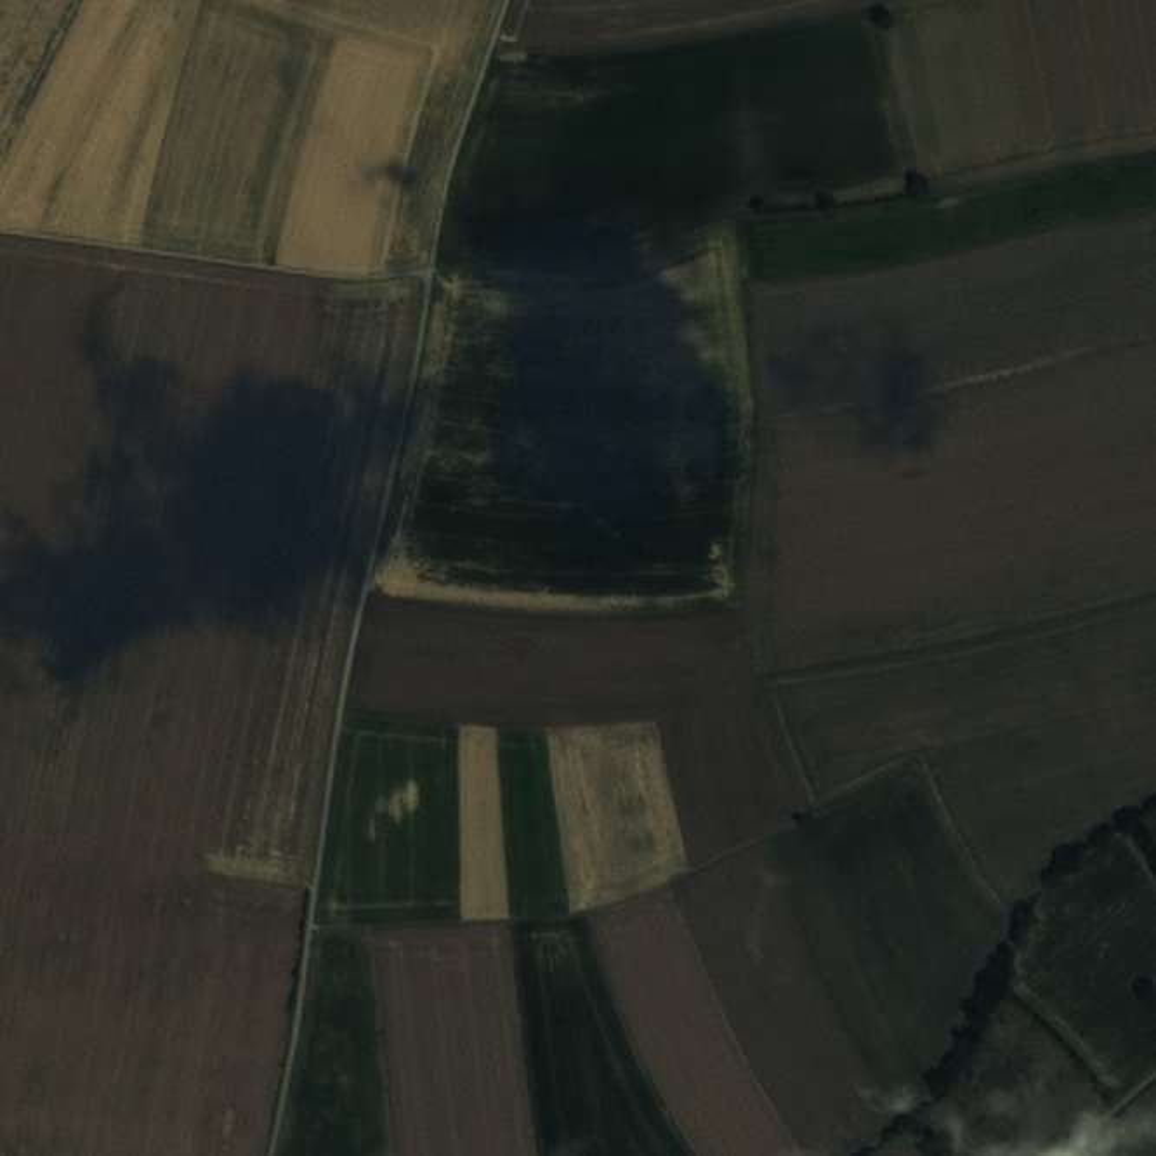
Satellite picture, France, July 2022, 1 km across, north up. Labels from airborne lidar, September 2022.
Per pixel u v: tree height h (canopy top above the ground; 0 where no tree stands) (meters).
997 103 0
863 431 0
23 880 0
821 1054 0
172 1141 0
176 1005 0
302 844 0
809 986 0
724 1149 0
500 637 0
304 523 0
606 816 0
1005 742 0
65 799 0
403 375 0
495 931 0
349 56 0
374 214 0
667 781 0
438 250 0
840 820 0
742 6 0
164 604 0
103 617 0
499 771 0
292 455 0
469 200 0
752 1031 0
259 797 0
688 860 0
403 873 0
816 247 0
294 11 0
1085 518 0
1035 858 0
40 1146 0
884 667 0
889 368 0
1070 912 0
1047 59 0
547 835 0
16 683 0
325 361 0
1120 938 0
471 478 0
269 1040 0
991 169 0
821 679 0
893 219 0
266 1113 0
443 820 0
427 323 0
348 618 0
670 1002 0
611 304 0
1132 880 0
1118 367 0
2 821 0
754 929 0
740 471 0
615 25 0
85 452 0
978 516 0
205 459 0
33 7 0
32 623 0
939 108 0
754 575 0
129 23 0
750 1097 0
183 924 0
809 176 0
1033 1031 0
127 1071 0
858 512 0
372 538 0
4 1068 0
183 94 0
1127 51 0
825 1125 0
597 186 0
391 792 0
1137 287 0
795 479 0
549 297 0
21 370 0
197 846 0
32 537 0
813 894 0
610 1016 0
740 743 0
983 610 0
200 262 0
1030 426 0
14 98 0
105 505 0
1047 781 0
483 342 0
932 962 0
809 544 0
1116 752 0
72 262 0
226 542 0
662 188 0
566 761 0
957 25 0
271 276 0
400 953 0
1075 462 0
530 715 0
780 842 0
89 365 0
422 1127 0
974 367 0
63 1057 0
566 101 0
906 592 0
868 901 0
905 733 0
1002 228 0
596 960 0
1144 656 0
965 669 0
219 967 0
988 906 0
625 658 0
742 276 0
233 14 0
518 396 0
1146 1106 0
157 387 0
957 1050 9
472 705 0
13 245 0
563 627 0
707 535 0
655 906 0
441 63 0
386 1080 0
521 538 0
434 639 0
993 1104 0
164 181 0
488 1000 0
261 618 0
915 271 0
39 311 0
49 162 0
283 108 0
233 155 0
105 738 0
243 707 0
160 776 0
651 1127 0
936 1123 0
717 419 0
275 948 0
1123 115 0
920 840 0
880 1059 0
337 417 0
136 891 0
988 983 19
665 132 0
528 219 0
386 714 0
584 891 0
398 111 0
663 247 0
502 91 0
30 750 0
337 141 0
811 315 0
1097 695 0
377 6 0
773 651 0
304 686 0
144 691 0
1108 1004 0
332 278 0
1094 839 12
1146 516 0
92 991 0
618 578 0
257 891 0
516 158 0
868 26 0
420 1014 0
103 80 0
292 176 0
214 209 0
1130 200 0
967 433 0
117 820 0
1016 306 0
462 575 0
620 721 0
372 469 0
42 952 0
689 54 0
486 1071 0
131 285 0
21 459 0
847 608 0
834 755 0
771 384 0
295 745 0
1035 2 0
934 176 0
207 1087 0
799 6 0
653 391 0
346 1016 0
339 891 0
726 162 0
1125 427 0
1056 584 0
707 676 0
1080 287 0
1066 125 0
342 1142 0
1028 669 0
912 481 0
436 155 0
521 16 0
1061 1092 0
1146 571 0
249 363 0
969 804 0
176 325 0
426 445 0
